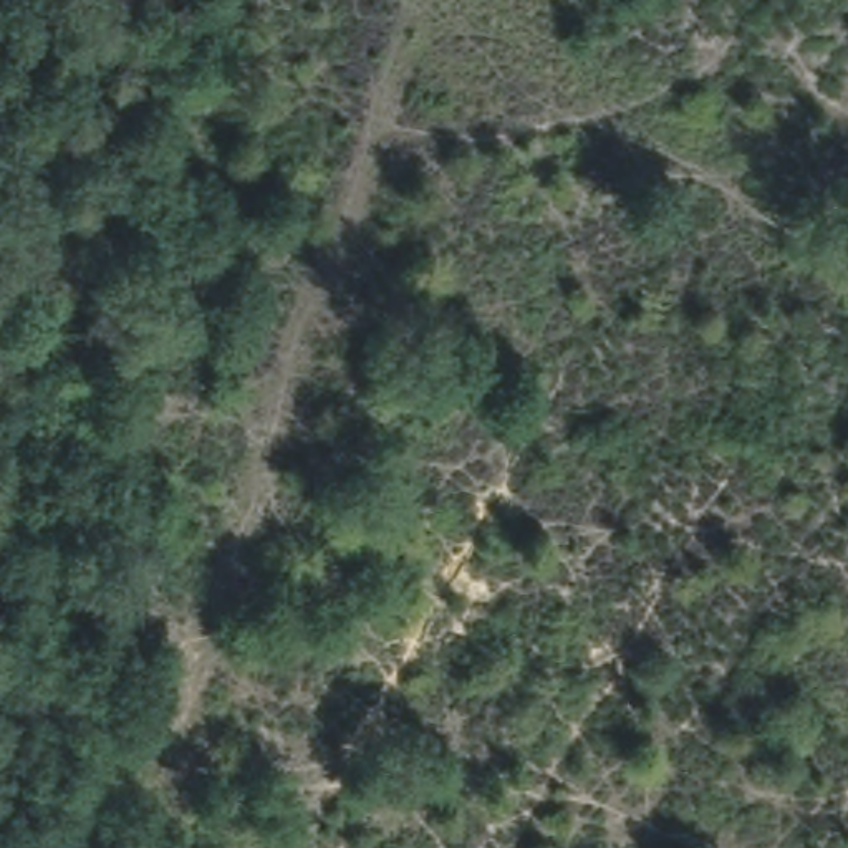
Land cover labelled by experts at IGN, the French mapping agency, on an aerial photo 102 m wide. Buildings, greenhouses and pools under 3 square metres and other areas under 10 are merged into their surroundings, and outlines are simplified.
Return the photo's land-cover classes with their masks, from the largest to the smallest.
<instances>
[{"label":"brushwood","instance_id":"1","mask_svg":"<svg viewBox=\"0 0 848 848\"><path fill-rule=\"evenodd\" d=\"M129 33L142 36L146 30H159L172 13H199L209 0H126ZM735 10V36H696V76L676 80L663 103L669 113H679L686 99L699 93L729 96L719 109V119L725 123L732 149L749 162L739 189L762 212L772 215V225L729 215L725 199L706 182H672L666 159L656 149H649L646 139H626L606 119H596L583 126L563 123L553 129H517L513 136L500 139L490 123H477L474 129L457 126L454 133L441 126L424 139L374 146L378 186L368 199V215L361 222L351 219L341 232H335L321 222L325 199L318 192H295L292 179L298 176V169H348L354 136L368 109L364 89L371 76H378L381 53L388 50L398 10V3L391 0H245L242 17L235 23L239 43L232 53L222 56L229 96L219 109H209L195 123V142L182 172L189 179H215L222 192L235 195L239 219L258 225L242 248H255L258 262L265 255L285 258L295 252L298 262L308 268L311 285L325 292L331 311L345 325L341 335H305V345L311 348V368L308 378L295 388L285 434L268 447V467L275 474H295L301 497L308 500H325L321 474L331 467H345L361 454H368L371 460L401 451L407 454V477L421 480L424 487V520L414 530V543L401 550V557L417 560L424 566L421 603L407 633L384 636L378 629L374 636H368L354 663L325 666L301 659L298 666L262 669L252 679H245L229 669V659L209 643L199 619L172 623L166 629L169 643L182 653V682L179 709L172 716L176 732L169 745L156 755V762L172 772L179 805L192 812L202 831L209 835L202 841L205 848H848V255L835 245H825L822 252L788 248V239L808 219V179L848 166V119L828 116L805 93V86L795 80L782 56L762 53V43L769 36L802 33V50L815 53L825 40V23H841L848 30V0H702ZM626 0H550L553 33L566 40L583 33H616V10Z\"/></svg>","mask_w":848,"mask_h":848},{"label":"herbaceous vegetation","instance_id":"2","mask_svg":"<svg viewBox=\"0 0 848 848\"><path fill-rule=\"evenodd\" d=\"M245 0H209L199 13H172L159 30H146L142 36L129 33L123 40V56L116 60V66H162L166 83L156 89V96L169 99V116L156 142L126 146L119 156L109 159V172L103 179L83 186L80 229L76 235H63L60 242V275L73 292V315L66 318L60 345L50 358L73 381L83 384L103 378L113 364L119 368L129 394L109 404L113 437L106 454L123 460L126 454L146 447L152 470H169L172 494L186 500L166 507V513L159 517V533L149 540L169 550V563L156 573L149 596V616L162 619L166 629L172 623L199 619L195 596L202 593L205 573L202 553L215 547L225 533H255L265 517L288 523L305 520L311 507L308 500L301 497L295 474H275L268 467V447L285 434L295 388L308 378L311 368V348L305 345V335H341L345 325L331 311L325 292L311 285L308 268L298 262L295 252L285 258L265 255L258 262L255 248H242L258 225L239 219L235 195L222 192L215 179H189L182 172L195 142V123L209 109H219L229 96L222 56L232 53L239 43L235 23L242 17ZM398 3V10L388 50L381 53L378 76H371L364 89L368 109L354 136L348 169H298V176L292 179L295 192H318L325 199L321 222L335 232H341L351 219L361 222L368 215V199L378 186L374 146L424 139L441 126L454 133L457 126L474 129L477 123H490L500 139L513 136L517 129H553L563 123L583 126L596 119H606L626 139H646L649 149H656L666 159L672 182H706L725 199L729 215L772 225V215L762 212L739 189L749 162L732 149L725 123L719 119V109L729 96L699 93L686 99L679 113H669L663 103L676 80L696 76V36H735V10L702 0H659L653 20L639 23L623 46L600 50V56L590 63H576L566 50V40L553 33L550 0H391ZM825 40L815 53L802 50V33L769 36L762 43V53L782 56L795 80L805 86V93L828 116L848 119V30L841 23H825ZM136 778L142 788L156 795L159 808L166 812V822L179 825L182 838L192 841V848H205L202 841L209 835L202 831L192 812L179 805L172 772L156 762L149 769H139Z\"/></svg>","mask_w":848,"mask_h":848},{"label":"coniferous trees","instance_id":"3","mask_svg":"<svg viewBox=\"0 0 848 848\"><path fill-rule=\"evenodd\" d=\"M126 0H0V384L13 371L36 368L50 358L60 345L66 318L73 315V292L60 275V242L63 235H76L80 229L83 186L103 179L109 172V159L119 156L126 146L156 142L169 116V99L156 96V89L166 83L162 66H116V60L123 56V40L129 33ZM808 219L788 239V248L822 252L825 245H835L848 255V166L808 179ZM20 487V464L17 437H0V543L7 537V527L13 523L10 510ZM325 500H308L311 507L305 520L288 523L265 517L255 533H225L215 547L202 553L205 573L202 593L195 596L199 619L209 643L229 659V669L245 679H252L262 669L298 666L301 659L325 666L354 663L368 636H374L378 629L384 636L407 633L421 603L424 566L417 560L401 557V550L414 543V530L424 520V487L421 480L407 477V454L401 451L371 460L368 454H361L345 467H331L321 474ZM20 709H13V702L0 692V769H7L17 749L20 732L10 722Z\"/></svg>","mask_w":848,"mask_h":848},{"label":"deciduous trees","instance_id":"4","mask_svg":"<svg viewBox=\"0 0 848 848\"><path fill-rule=\"evenodd\" d=\"M659 0H626L616 10V33H583L566 40V50L576 63H590L600 56V50L623 46L639 23L653 20ZM129 394L119 368L113 364L103 378L83 384L73 381L50 358L36 368L13 371L0 384V437H17L20 464V487L10 510L13 523L7 527V537L0 543V692L13 702V709H20L10 722L20 732L17 749L7 769H0V848H192V841L182 838L179 825L166 822V812L159 808L156 795L142 788L136 778L139 769H149L156 762V755L169 745L176 732L172 716L179 709L182 682V653L169 643L166 629L162 619L149 616V596L156 573L169 563V550L149 540L159 533V517L166 513V507L186 500L172 494L169 470H152L146 447L126 454L123 460L106 454L113 437L109 404Z\"/></svg>","mask_w":848,"mask_h":848}]
</instances>
